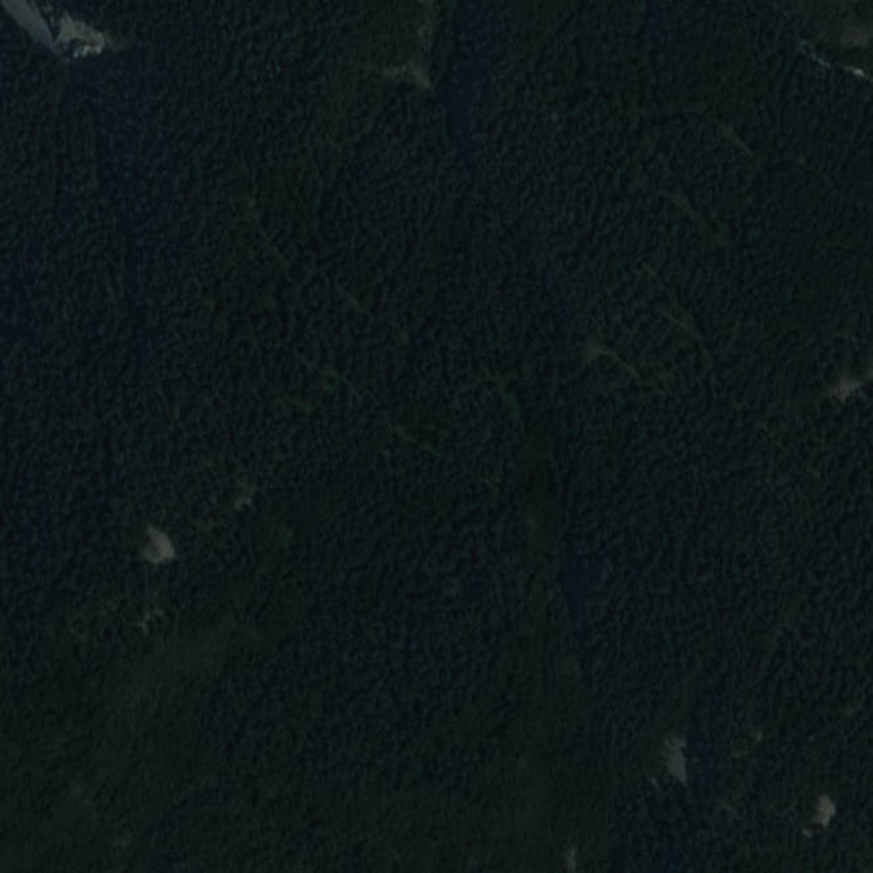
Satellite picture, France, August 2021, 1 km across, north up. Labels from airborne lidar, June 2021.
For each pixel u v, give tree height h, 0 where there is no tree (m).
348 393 27
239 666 14
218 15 33
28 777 9
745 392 24
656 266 25
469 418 13
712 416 19
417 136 42
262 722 21
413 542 15
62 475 13
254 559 14
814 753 10
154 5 21
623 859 9
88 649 17
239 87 31
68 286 17
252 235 24
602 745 11
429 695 14
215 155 25
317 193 29
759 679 12
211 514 8
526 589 7
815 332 17
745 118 26
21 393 7
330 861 15
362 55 15
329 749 21
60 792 10
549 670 7
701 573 20
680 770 0
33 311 31
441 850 9
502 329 22
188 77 31
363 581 12
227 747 8
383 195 32
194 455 26
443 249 21
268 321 23
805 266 24
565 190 17
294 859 16
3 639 12
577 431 26
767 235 25
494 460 24
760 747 7
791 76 26
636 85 28
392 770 9
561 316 22
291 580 14
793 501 18
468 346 8
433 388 21
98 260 29
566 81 33
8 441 27
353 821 10
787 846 8
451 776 15
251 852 6
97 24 17
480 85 16
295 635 10
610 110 18
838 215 24
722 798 7
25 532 8
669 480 10
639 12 9
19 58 18
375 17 26
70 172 26
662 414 25
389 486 22
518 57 23
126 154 21
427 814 9
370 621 10
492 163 26
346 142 35
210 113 27
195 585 8
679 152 21
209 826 6
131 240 16
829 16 8
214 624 13
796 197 22
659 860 11
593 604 14
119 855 7
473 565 20
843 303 20
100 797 7
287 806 11
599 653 20
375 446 22
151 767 6
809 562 19
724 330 21
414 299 21
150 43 23
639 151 27
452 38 24
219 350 22
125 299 12
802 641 22
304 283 35
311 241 10
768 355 21
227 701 8
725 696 13
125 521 27
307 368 28
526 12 23
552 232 9
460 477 26
